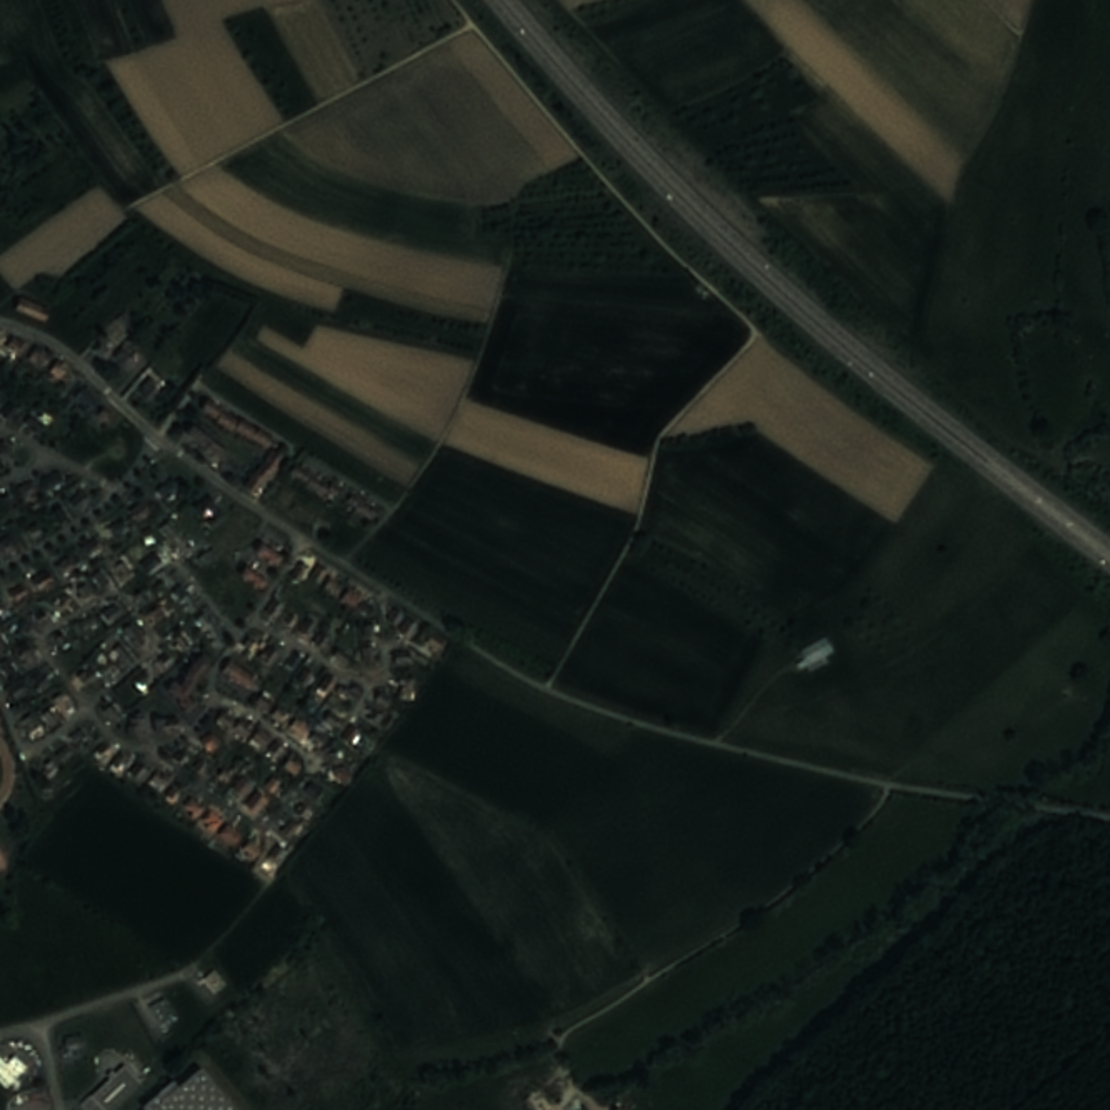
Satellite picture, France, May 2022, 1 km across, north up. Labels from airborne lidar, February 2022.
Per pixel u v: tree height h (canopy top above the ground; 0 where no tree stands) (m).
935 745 0
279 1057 0
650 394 0
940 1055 15
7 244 0
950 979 18
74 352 0
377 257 0
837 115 0
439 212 0
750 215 0
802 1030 0
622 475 0
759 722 0
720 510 0
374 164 0
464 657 0
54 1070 0
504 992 0
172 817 0
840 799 0
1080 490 6
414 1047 0
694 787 0
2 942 0
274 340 0
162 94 0
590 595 0
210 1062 0
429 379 0
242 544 0
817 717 0
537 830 0
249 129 0
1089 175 0
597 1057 0
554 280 0
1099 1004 18
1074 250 0
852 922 0
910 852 0
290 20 0
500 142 0
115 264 6
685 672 0
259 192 0
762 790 0
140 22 0
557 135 0
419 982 0
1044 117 0
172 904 0
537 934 0
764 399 0
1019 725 0
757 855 0
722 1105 0
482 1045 0
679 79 0
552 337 0
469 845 0
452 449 0
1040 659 0
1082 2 0
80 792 0
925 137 0
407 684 0
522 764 0
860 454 0
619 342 0
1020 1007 18
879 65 0
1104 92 0
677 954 0
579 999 0
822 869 10
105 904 0
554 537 0
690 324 0
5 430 0
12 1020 0
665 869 0
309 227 0
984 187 0
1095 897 20
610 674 0
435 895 0
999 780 0
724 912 0
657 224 7
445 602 0
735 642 0
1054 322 10
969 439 0
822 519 0
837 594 0
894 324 0
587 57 0
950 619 0
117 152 0
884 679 0
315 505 0
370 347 0
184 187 0
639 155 0
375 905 0
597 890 0
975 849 24
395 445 0
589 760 0
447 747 0
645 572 0
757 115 0
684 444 7
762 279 0
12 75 0
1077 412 0
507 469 0
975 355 0
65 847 0
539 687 0
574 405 0
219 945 0
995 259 0
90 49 0
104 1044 0
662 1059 17
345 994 0
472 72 0
